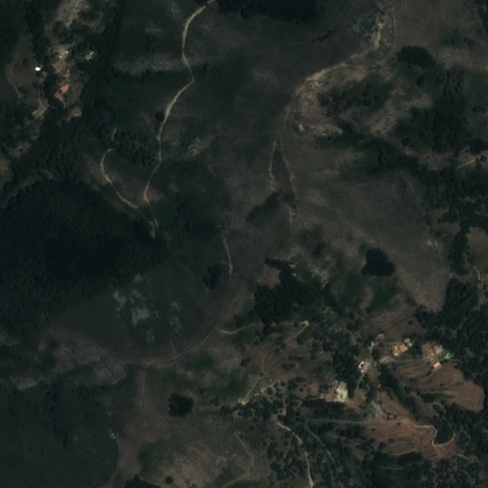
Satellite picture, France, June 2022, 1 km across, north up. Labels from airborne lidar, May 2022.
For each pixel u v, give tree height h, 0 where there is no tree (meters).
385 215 0
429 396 16
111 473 0
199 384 0
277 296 19
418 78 7
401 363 0
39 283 13
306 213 0
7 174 0
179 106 0
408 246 0
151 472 0
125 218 14
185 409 12
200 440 0
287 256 0
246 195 0
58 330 0
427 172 20
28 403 12
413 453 11
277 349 10
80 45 14
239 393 0
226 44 0
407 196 0
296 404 14
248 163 0
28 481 0
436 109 7
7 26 13
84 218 10
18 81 0
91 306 0
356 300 0
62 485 0
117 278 7
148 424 0
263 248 0
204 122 0
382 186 0
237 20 0
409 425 0
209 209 0
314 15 15
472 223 11
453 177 18
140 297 0
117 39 19
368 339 11
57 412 12
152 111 0
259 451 0
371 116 0
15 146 14
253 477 0
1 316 6
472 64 0
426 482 12
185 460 0
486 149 9
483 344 21
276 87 0
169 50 0
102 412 0
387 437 0
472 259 8
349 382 13
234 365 0
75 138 10
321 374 0
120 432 0
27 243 18
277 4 19
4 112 8
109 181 0
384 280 0
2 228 13
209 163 0
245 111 0
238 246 0
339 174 0
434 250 0
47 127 14
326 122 0
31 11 14
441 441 10
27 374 0
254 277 0
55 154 15
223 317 0
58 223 14
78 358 0
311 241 0
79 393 6
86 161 0
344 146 0
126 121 0
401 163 16
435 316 19
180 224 8
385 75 0
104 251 17
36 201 15
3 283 13
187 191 0
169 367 0
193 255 0
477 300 13
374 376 0
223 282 0
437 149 14
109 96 0
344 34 0
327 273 0
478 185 19
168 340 0
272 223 0
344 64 0
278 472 10
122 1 18
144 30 0
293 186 0
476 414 11
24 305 8
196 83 0
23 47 0
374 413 0
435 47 0
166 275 0
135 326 0
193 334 0
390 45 0
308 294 17
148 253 8
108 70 14
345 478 9
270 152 0
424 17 0
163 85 0
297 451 11
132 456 0
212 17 0
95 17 9
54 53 6
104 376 0
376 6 0
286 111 0
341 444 12
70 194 7
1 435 0
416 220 0
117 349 0
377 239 0
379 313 0
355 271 0
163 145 0
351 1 0
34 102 0
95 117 11
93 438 0
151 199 0
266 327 13
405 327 0
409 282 0
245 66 0
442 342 11
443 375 0
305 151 0
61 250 17
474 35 0
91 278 10
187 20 0
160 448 0
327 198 0
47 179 13
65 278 12
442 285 0
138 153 14
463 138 10
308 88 0
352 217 0
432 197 9
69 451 0
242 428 0
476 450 12
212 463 0
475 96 0
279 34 0
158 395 0
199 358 0
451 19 0
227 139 0
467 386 0
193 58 0
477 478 12
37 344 0
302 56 0
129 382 0
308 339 0
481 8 12
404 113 0
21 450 0
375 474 18
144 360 0
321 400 10
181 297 0
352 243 0
